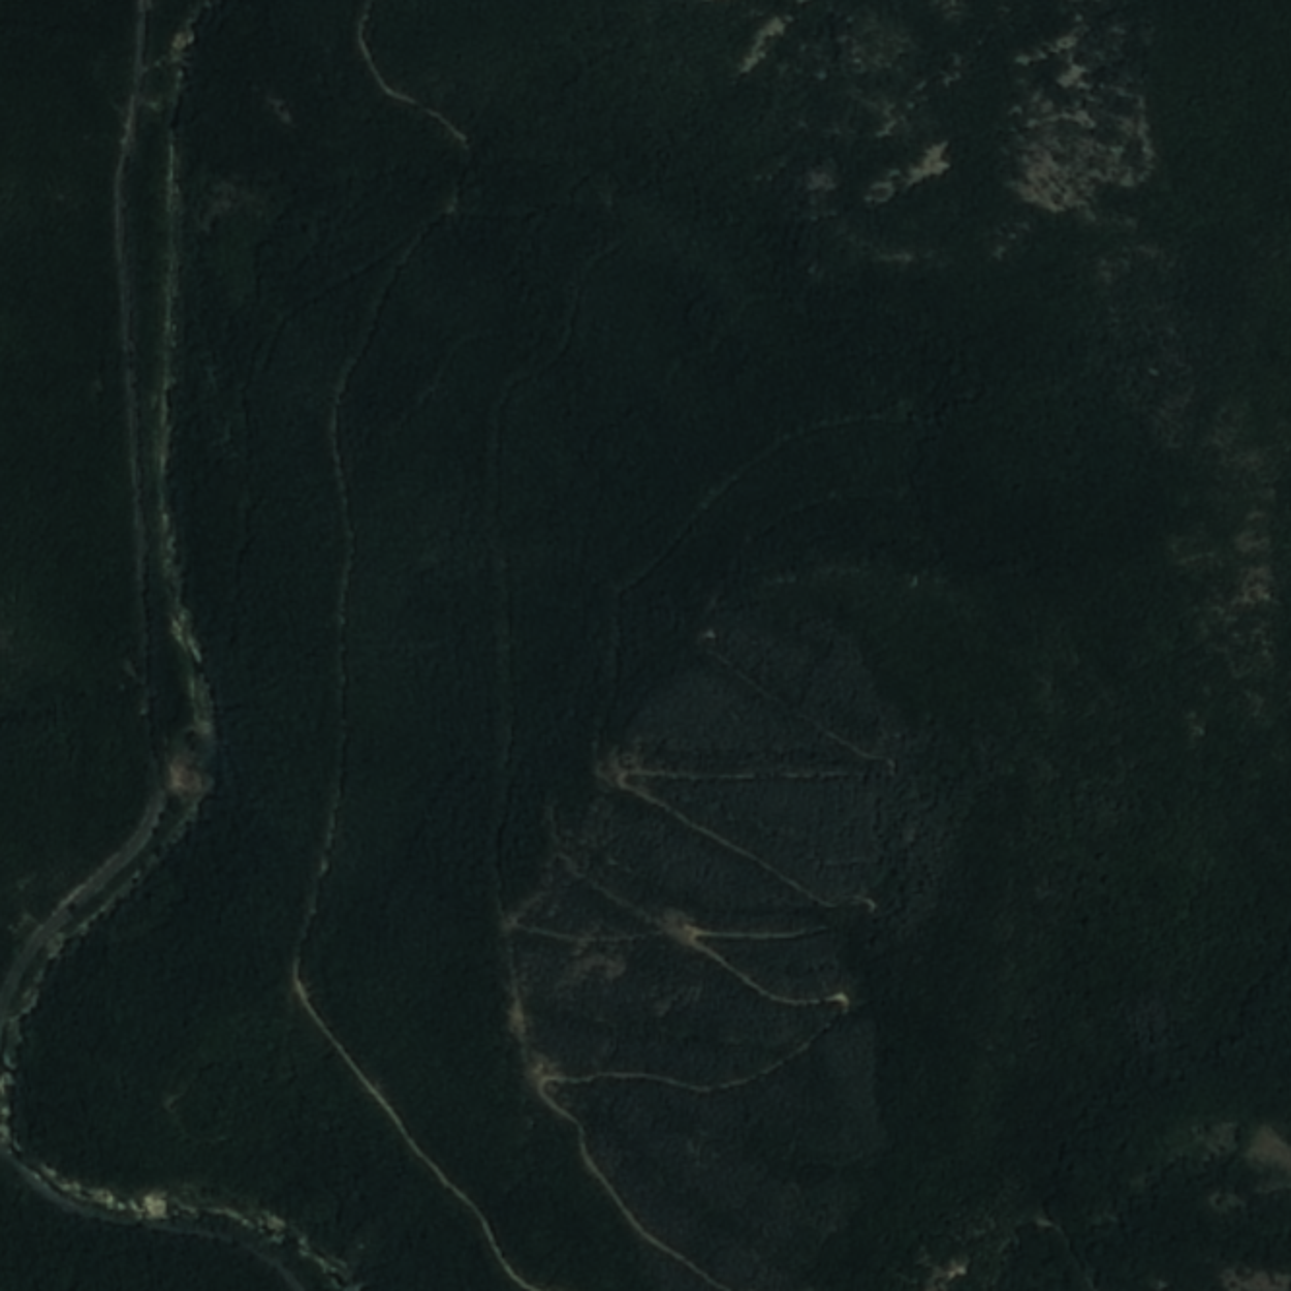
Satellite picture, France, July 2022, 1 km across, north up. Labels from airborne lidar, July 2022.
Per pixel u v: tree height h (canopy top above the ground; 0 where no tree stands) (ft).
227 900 40
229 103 33
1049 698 20
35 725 45
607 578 29
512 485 20
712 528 27
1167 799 35
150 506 44
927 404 27
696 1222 28
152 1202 0
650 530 23
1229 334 18
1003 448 35
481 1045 24
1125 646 38
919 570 20
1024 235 19
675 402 20
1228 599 20
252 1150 41
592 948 20
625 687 19
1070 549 31
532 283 23
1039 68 32
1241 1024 69
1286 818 32
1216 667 32
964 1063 30
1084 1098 66
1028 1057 32
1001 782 31
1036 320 30
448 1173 19
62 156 29
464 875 35
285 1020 22
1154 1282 22
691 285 26
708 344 38
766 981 40
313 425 22
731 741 36
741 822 20
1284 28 32
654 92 23
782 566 24
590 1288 25
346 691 29
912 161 24
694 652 22
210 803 46
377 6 20
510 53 20
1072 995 71
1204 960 36
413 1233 60
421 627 20
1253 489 21
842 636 52
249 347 28
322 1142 31
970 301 35
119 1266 51
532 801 20
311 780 30
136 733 40
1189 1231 33
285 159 27
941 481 37
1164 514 32
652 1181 31
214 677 58
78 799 42
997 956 18
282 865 38
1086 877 41
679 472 19
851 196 35
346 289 33
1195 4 28
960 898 29
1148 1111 36
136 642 51
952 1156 33
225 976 35
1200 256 21
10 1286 57
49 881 27
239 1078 51
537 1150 21
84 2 19
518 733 23
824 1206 23
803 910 22
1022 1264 52
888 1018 40
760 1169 29
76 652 26
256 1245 31
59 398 31
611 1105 30
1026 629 33
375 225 31
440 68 23
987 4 23
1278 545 27
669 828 40
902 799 53
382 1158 26
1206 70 27
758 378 28
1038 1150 42
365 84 20
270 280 35
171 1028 34
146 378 47
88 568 26
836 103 17
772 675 20
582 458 24
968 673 23
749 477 17
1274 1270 30
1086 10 22
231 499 31
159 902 45
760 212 32
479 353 20
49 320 31
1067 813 37
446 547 20
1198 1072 64
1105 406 23
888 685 26
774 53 24
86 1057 31
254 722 45
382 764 28
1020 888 28
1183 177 21
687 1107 32
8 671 22
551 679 23
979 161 22
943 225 18
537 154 32
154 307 24
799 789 44
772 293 39
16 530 35
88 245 23
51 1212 94
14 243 32
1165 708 38
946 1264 51
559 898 19
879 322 25
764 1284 24
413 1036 28
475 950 18
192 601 39
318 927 22
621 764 25
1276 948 46
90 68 19
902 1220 52
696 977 24
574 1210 27
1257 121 35
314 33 19
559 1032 25
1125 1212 29
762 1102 32
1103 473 32
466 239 32
